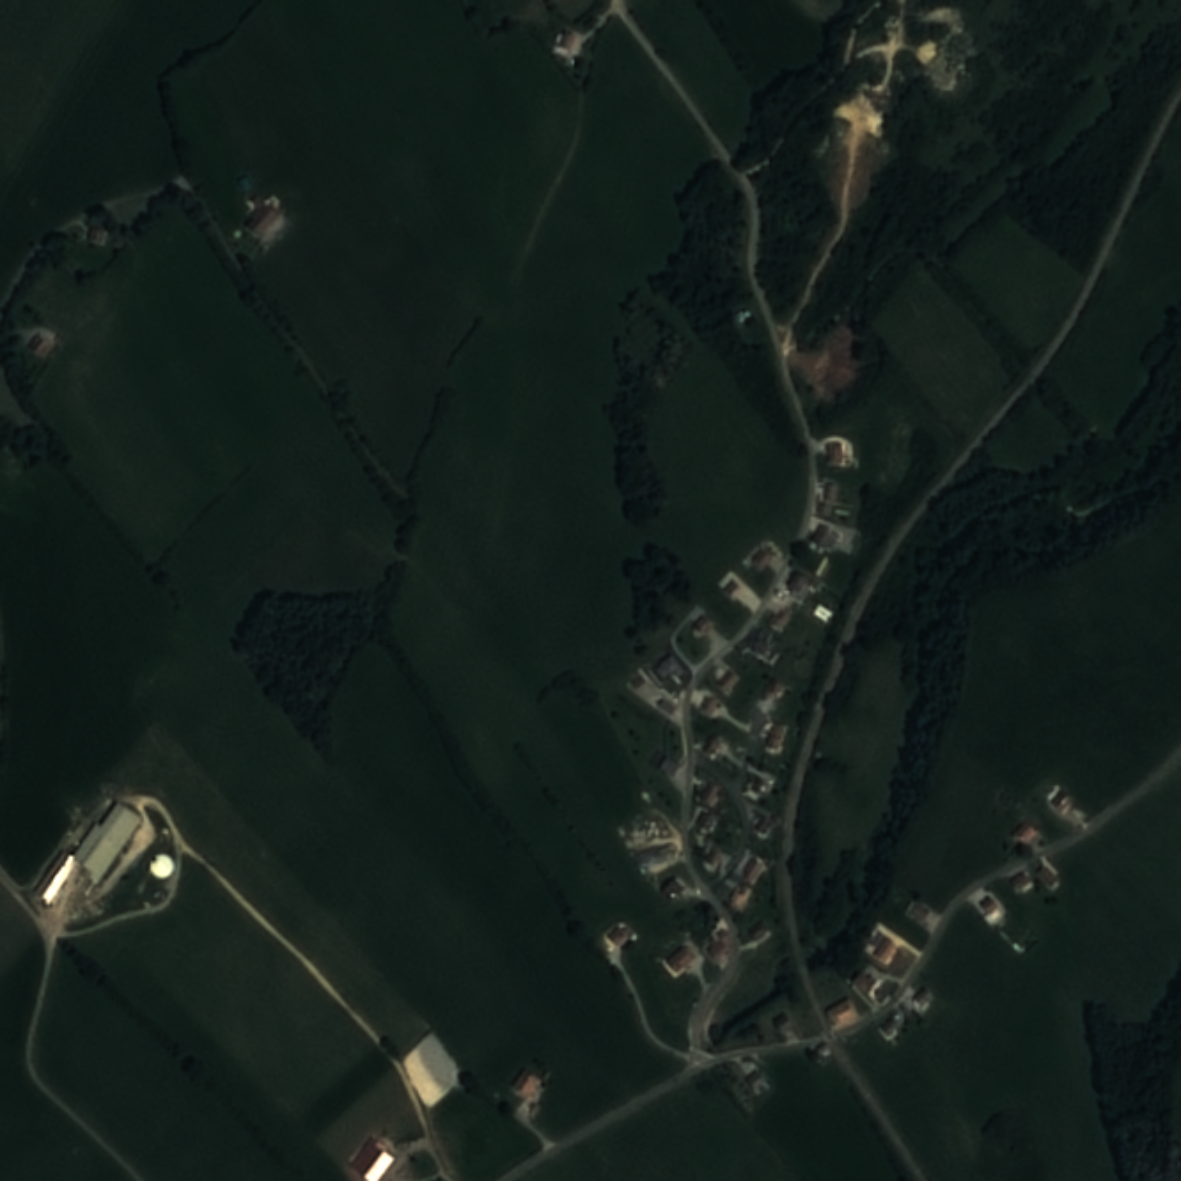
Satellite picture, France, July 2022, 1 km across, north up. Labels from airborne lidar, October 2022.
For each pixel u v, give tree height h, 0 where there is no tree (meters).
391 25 0
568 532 0
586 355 0
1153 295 0
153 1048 0
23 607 0
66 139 0
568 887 0
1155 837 0
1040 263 0
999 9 0
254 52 0
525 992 0
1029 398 12
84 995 0
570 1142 0
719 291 8
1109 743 0
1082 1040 0
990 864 0
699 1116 0
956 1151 0
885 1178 0
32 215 0
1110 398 0
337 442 0
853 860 14
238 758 0
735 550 0
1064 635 0
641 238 0
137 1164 0
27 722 0
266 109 0
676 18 0
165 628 0
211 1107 0
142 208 0
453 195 0
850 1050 0
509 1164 0
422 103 0
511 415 0
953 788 0
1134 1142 24
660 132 0
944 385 0
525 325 0
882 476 0
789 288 12
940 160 0
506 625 0
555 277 0
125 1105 0
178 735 0
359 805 0
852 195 0
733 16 0
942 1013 0
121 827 0
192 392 0
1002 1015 0
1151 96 7
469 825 0
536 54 0
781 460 0
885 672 0
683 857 0
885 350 9
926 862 0
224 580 0
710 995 0
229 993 0
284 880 0
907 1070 0
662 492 17
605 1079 0
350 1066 0
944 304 0
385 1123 0
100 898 0
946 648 21
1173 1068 6
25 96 0
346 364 0
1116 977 0
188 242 0
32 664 0
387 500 9
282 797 0
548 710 0
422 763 0
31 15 0
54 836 0
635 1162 0
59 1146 0
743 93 0
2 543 0
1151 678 0
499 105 0
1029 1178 0
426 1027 0
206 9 0
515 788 0
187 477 0
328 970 0
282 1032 0
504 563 0
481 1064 0
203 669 0
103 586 0
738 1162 0
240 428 0
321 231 0
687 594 11
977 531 27
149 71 0
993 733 0
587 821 0
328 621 23
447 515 0
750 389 8
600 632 0
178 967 0
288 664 23
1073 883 0
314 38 0
